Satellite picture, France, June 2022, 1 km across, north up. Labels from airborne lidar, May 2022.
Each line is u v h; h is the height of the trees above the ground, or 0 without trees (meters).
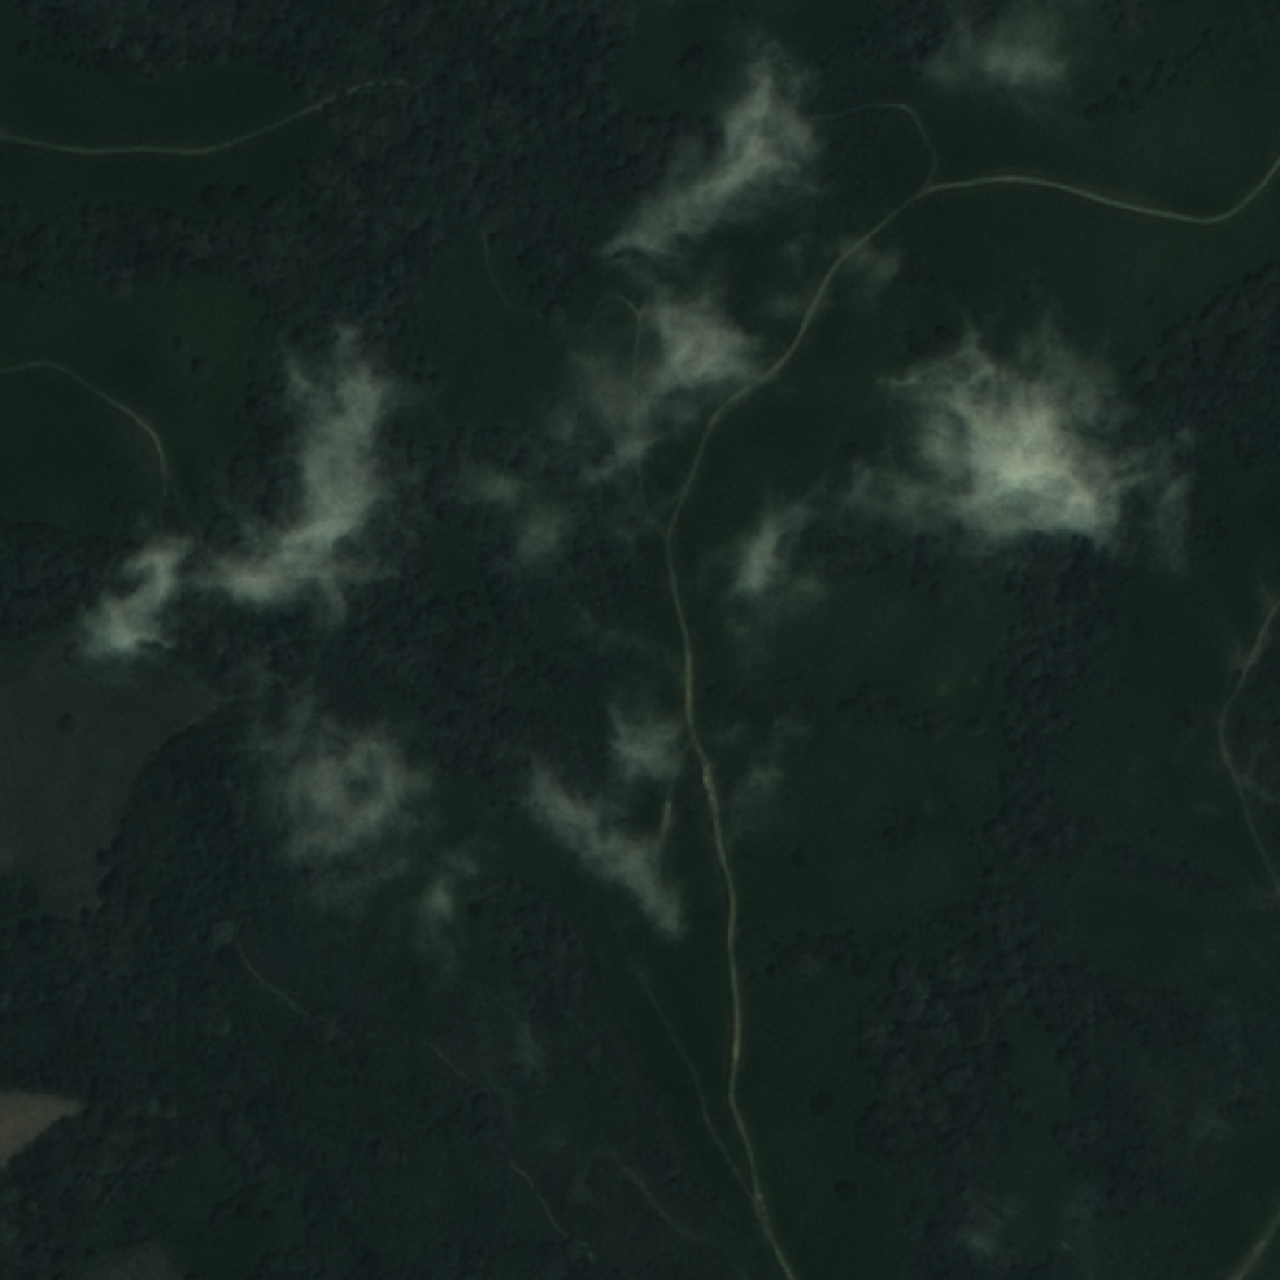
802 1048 0
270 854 12
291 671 18
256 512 7
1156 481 9
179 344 11
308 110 0
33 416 0
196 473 0
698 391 0
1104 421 8
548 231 15
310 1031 8
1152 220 0
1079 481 16
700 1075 0
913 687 0
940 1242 12
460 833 0
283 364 8
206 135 0
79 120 0
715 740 0
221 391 0
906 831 8
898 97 0
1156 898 0
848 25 0
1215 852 0
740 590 0
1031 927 12
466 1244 11
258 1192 9
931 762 0
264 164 0
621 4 17
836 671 0
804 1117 0
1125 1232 0
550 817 12
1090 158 0
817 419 0
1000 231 0
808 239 0
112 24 17
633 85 0
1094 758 0
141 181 0
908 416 0
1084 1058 12
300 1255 10
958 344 9
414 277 14
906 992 16
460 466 7
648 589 6
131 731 0
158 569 13
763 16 0
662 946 0
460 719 21
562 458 6
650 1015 0
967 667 0
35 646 0
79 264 7
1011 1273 7
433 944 13
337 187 14
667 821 0
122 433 0
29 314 0
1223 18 0
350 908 7
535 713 8
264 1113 13
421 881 0
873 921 0
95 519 0
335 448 10
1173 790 0
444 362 0
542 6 14
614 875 0
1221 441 8
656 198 6
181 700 0
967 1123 11
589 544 6
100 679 0
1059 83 0
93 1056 8
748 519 0
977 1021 21
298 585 17
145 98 0
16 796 0
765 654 0
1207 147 0
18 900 7
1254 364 8
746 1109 0
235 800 18
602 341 0
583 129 6
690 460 0
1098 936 0
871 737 0
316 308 8
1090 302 0
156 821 8
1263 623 0
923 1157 8
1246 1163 0
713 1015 0
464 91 25
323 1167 7
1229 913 0
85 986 10
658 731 0
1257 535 0
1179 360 12
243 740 13
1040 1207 0
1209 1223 0
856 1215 0
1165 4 0
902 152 0
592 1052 9
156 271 12
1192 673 0
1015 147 0
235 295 0
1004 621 0
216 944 11
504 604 13
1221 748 0
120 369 0
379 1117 6
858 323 0
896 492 0
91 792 0
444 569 0
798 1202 0
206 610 10
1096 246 0
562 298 7
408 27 18
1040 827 18
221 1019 15
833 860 0
